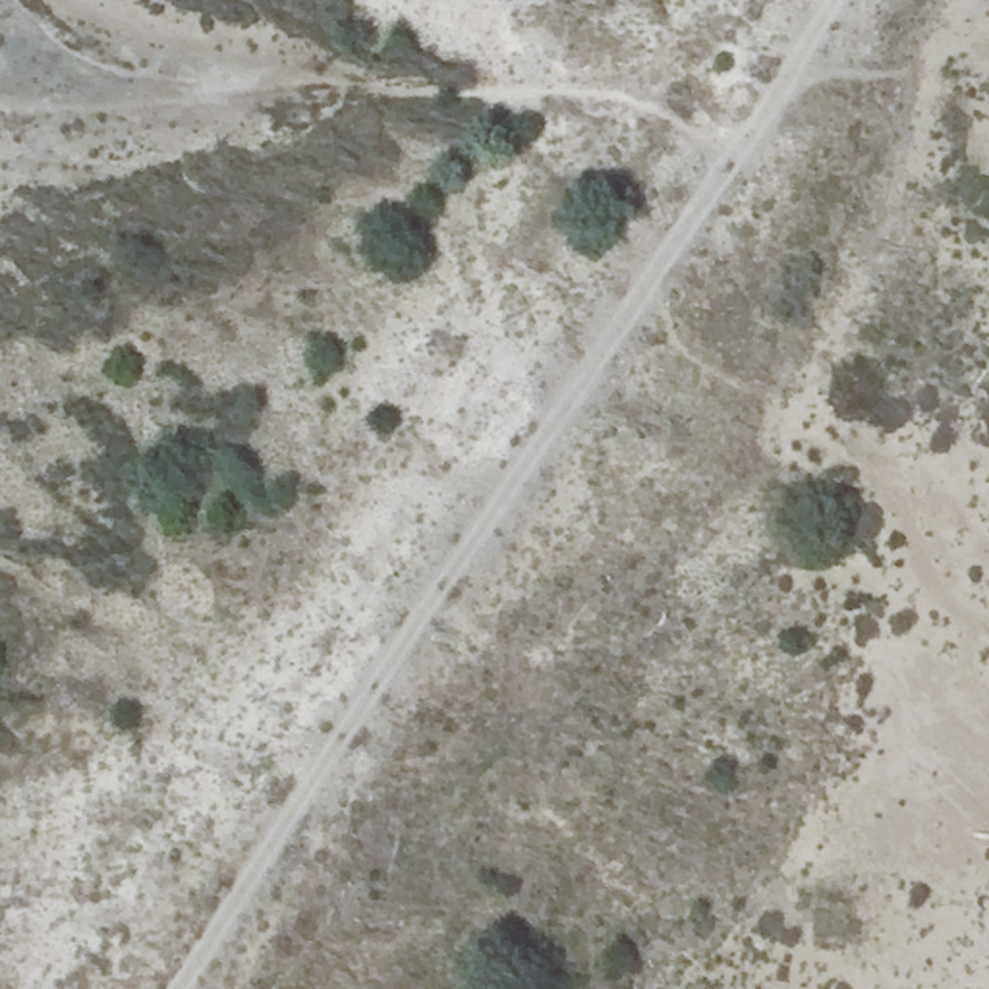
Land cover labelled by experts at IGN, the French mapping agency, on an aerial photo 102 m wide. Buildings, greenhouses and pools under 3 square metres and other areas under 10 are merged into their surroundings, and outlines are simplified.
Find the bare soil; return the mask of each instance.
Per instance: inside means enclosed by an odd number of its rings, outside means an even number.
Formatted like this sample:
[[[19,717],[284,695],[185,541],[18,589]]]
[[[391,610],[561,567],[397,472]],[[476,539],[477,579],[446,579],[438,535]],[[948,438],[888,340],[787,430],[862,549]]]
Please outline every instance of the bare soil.
[[[931,39],[919,46],[923,77],[912,108],[912,139],[892,147],[885,170],[873,178],[873,197],[865,201],[873,232],[854,224],[838,255],[846,282],[815,297],[819,336],[811,359],[804,367],[780,363],[765,402],[761,452],[777,464],[788,464],[792,440],[811,440],[831,467],[858,467],[862,498],[881,506],[881,529],[854,556],[827,568],[827,583],[850,591],[885,595],[885,603],[889,603],[889,607],[896,607],[896,610],[916,610],[916,626],[912,626],[908,634],[877,637],[865,645],[862,661],[873,676],[869,703],[892,707],[892,719],[881,726],[885,757],[865,757],[858,780],[827,780],[827,800],[819,800],[819,807],[807,811],[804,831],[780,865],[784,873],[800,873],[804,865],[811,865],[811,873],[823,885],[854,896],[862,943],[850,943],[842,950],[796,943],[796,958],[804,958],[807,970],[815,970],[815,962],[827,962],[831,974],[850,989],[989,989],[989,444],[954,440],[950,452],[931,452],[931,437],[939,425],[927,413],[912,413],[908,425],[889,433],[865,421],[846,421],[831,410],[831,375],[842,359],[854,355],[862,340],[858,328],[869,325],[877,309],[869,286],[892,274],[892,267],[908,259],[916,247],[939,247],[947,240],[943,224],[950,220],[950,205],[939,205],[931,216],[919,216],[919,197],[908,193],[908,182],[939,185],[943,155],[950,151],[950,139],[931,139],[931,127],[939,124],[943,100],[950,93],[943,81],[943,62],[950,54],[966,54],[966,70],[989,77],[989,0],[943,0],[943,12],[927,19]]]
[[[831,19],[827,39],[807,66],[807,77],[815,85],[877,81],[877,66],[869,66],[869,58],[881,42],[881,0],[846,0],[842,15]]]
[[[792,212],[792,174],[807,162],[804,151],[815,143],[815,131],[788,131],[780,124],[761,139],[746,170],[742,162],[722,162],[730,185],[722,205],[707,212],[695,243],[734,251],[738,228],[749,224],[757,228],[757,240],[769,243],[773,224]]]
[[[970,158],[981,174],[989,174],[989,100],[981,112],[985,120],[970,127]]]
[[[506,448],[525,448],[541,433],[541,421],[533,421],[529,367],[549,355],[549,340],[556,332],[564,332],[564,348],[572,359],[583,359],[583,332],[595,328],[595,321],[610,317],[610,309],[626,297],[637,267],[672,232],[688,201],[688,185],[645,185],[649,209],[645,216],[630,220],[622,243],[614,243],[599,259],[587,259],[568,247],[564,232],[556,232],[552,224],[552,212],[560,209],[564,189],[583,170],[630,170],[641,182],[653,174],[661,155],[672,155],[672,131],[657,120],[661,108],[668,104],[676,116],[692,120],[695,112],[719,116],[719,104],[742,104],[749,73],[757,81],[777,77],[780,58],[788,54],[792,39],[800,39],[815,0],[355,0],[375,23],[410,23],[421,35],[421,42],[437,46],[444,58],[475,62],[479,85],[464,89],[460,97],[525,108],[545,120],[545,131],[533,147],[525,147],[506,166],[479,170],[460,193],[448,197],[433,232],[437,263],[417,282],[410,282],[402,305],[382,317],[379,336],[367,344],[352,367],[336,371],[328,382],[313,382],[305,344],[294,340],[286,328],[251,321],[232,301],[220,301],[216,309],[236,325],[236,340],[220,340],[216,328],[205,321],[185,321],[178,305],[147,305],[135,309],[131,321],[112,336],[81,340],[73,352],[54,352],[39,340],[0,344],[0,413],[31,413],[46,425],[46,433],[31,440],[12,440],[8,433],[0,433],[0,506],[19,514],[27,537],[50,533],[54,502],[35,483],[58,460],[97,456],[89,433],[66,417],[66,398],[104,402],[112,413],[127,421],[131,437],[143,444],[155,444],[162,429],[182,425],[182,410],[174,410],[178,382],[158,375],[162,359],[185,363],[201,375],[209,390],[232,390],[247,382],[267,386],[267,410],[251,437],[251,448],[263,456],[263,467],[267,475],[297,471],[297,502],[282,514],[247,514],[247,529],[236,529],[232,537],[166,537],[155,514],[143,518],[143,549],[155,556],[158,576],[139,599],[89,587],[81,568],[54,556],[42,564],[42,576],[35,576],[19,556],[8,556],[0,549],[0,572],[15,576],[19,587],[39,591],[66,614],[85,610],[93,618],[85,634],[70,630],[58,637],[46,672],[108,680],[108,695],[143,703],[143,726],[131,726],[127,734],[120,730],[108,742],[108,753],[89,757],[89,769],[0,784],[0,989],[166,989],[178,977],[185,954],[205,935],[224,892],[236,885],[251,850],[263,842],[274,811],[294,792],[294,777],[278,773],[274,753],[297,746],[305,726],[321,722],[328,703],[355,684],[355,672],[367,664],[367,657],[379,653],[375,618],[382,610],[386,576],[398,560],[410,556],[413,537],[437,533],[437,522],[444,518],[444,506],[452,498],[440,475],[448,475],[456,464],[467,475],[479,475],[479,467],[491,456],[502,456]],[[143,379],[135,386],[120,386],[104,371],[104,359],[120,348],[135,348],[143,355]]]
[[[255,112],[255,100],[286,100],[290,89],[301,85],[367,89],[375,97],[421,97],[437,97],[437,85],[421,77],[382,77],[371,66],[344,62],[336,50],[325,50],[309,39],[294,39],[270,23],[216,23],[205,31],[193,12],[174,8],[151,15],[135,0],[0,0],[0,216],[19,209],[19,185],[70,189],[97,178],[127,178],[143,166],[178,162],[193,151],[212,151],[216,143],[259,151],[270,139],[274,124],[270,116]]]
[[[433,626],[410,653],[410,668],[390,684],[390,692],[379,699],[379,711],[363,722],[363,730],[352,734],[332,722],[328,738],[344,746],[340,769],[328,777],[317,804],[297,819],[294,838],[282,846],[267,877],[270,885],[259,889],[255,908],[240,916],[232,939],[197,977],[197,989],[247,989],[259,977],[263,950],[278,939],[282,923],[297,919],[301,912],[297,885],[325,885],[336,877],[325,865],[305,865],[317,850],[332,850],[340,858],[348,854],[344,831],[352,804],[375,777],[375,769],[386,765],[394,746],[402,742],[402,726],[417,711],[425,684],[460,684],[464,664],[479,664],[483,649],[498,634],[498,614],[514,610],[518,599],[529,599],[537,591],[537,579],[572,568],[579,552],[591,552],[599,568],[607,568],[614,556],[641,552],[634,587],[641,591],[645,579],[657,572],[657,552],[664,552],[676,560],[676,591],[684,603],[719,607],[730,572],[738,564],[757,564],[761,545],[773,537],[769,522],[761,495],[746,487],[738,498],[722,502],[715,518],[699,522],[695,533],[684,529],[676,518],[645,522],[653,502],[672,491],[668,479],[680,464],[668,456],[664,444],[637,437],[626,425],[626,417],[610,413],[610,402],[603,398],[587,402],[583,410],[607,429],[599,429],[591,444],[576,444],[591,495],[576,510],[560,506],[556,475],[545,464],[537,479],[525,483],[525,495],[518,498],[510,522],[495,529],[495,541],[487,545],[479,564],[471,564],[448,587],[448,599],[437,607]]]

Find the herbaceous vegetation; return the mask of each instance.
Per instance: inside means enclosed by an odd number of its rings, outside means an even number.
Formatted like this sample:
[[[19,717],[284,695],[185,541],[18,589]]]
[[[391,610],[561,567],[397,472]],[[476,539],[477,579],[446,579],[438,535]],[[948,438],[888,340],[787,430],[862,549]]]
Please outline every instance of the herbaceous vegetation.
[[[46,672],[58,637],[70,630],[85,634],[93,618],[85,610],[66,614],[39,591],[19,587],[15,607],[23,614],[23,641],[8,653],[8,672],[0,676],[0,784],[89,769],[89,757],[108,753],[108,742],[120,730],[127,734],[131,726],[143,726],[143,703],[108,695],[108,680]]]
[[[916,626],[916,610],[896,610],[896,607],[889,607],[889,603],[885,603],[885,610],[881,610],[881,622],[877,622],[877,637],[908,634],[912,626]]]
[[[564,947],[568,966],[576,974],[587,974],[583,989],[850,989],[831,974],[827,962],[815,962],[815,970],[807,970],[804,958],[796,958],[796,943],[842,950],[850,943],[862,943],[854,896],[823,885],[811,873],[811,865],[804,865],[800,873],[784,873],[780,865],[804,831],[807,811],[819,807],[819,800],[827,800],[827,780],[858,780],[865,757],[885,757],[881,726],[892,719],[892,707],[869,703],[873,676],[862,661],[865,645],[854,634],[854,610],[846,610],[850,591],[827,583],[827,568],[804,568],[784,537],[773,537],[761,545],[757,564],[738,564],[730,572],[719,607],[684,603],[676,591],[676,560],[664,552],[657,552],[657,572],[645,579],[641,591],[634,587],[641,552],[614,556],[607,568],[599,568],[591,552],[579,552],[572,568],[537,579],[537,591],[529,599],[518,599],[514,610],[498,614],[498,634],[483,649],[479,664],[464,664],[460,684],[425,684],[417,711],[402,726],[402,742],[394,746],[386,765],[375,769],[375,777],[352,804],[344,831],[348,854],[340,858],[332,850],[317,850],[305,865],[325,865],[336,877],[325,885],[297,885],[301,912],[297,919],[282,923],[278,939],[263,950],[259,977],[247,989],[467,989],[467,981],[456,974],[456,954],[464,954],[479,939],[479,931],[487,931],[502,916],[522,916],[533,931],[552,935]],[[637,943],[641,974],[607,981],[603,950],[618,935],[630,935]]]
[[[858,328],[862,340],[854,355],[904,359],[908,367],[892,371],[885,386],[889,398],[908,398],[912,413],[927,413],[939,425],[931,437],[931,452],[950,452],[954,440],[989,444],[989,174],[981,174],[970,158],[970,127],[985,120],[981,112],[989,100],[989,77],[966,70],[966,54],[950,54],[943,62],[943,81],[950,93],[943,100],[939,124],[931,127],[931,139],[950,139],[950,151],[943,155],[939,185],[908,182],[908,193],[919,197],[919,216],[931,216],[939,205],[950,205],[950,220],[943,224],[947,240],[939,247],[916,247],[908,259],[892,267],[892,274],[869,286],[877,309],[869,325]]]
[[[46,425],[31,413],[0,413],[0,433],[8,433],[12,440],[31,440],[46,433]]]
[[[684,263],[668,270],[668,294],[657,301],[645,325],[610,355],[599,386],[603,398],[610,402],[610,413],[626,417],[626,425],[637,437],[664,444],[668,456],[680,464],[668,479],[672,491],[653,502],[645,522],[676,518],[684,529],[695,533],[699,522],[715,518],[722,502],[738,498],[746,487],[761,495],[769,522],[788,483],[827,475],[831,467],[811,440],[792,440],[788,464],[777,464],[761,452],[765,402],[780,363],[804,367],[811,359],[819,336],[815,297],[846,282],[838,255],[854,224],[873,232],[865,201],[873,197],[873,178],[885,170],[892,147],[912,139],[912,108],[923,77],[919,46],[931,39],[927,19],[943,12],[943,0],[881,0],[881,42],[869,58],[869,66],[877,66],[877,81],[815,85],[788,104],[780,124],[788,131],[815,131],[815,143],[804,151],[807,162],[792,174],[792,212],[773,224],[769,243],[757,240],[757,228],[749,224],[738,228],[734,251],[695,243],[692,251],[684,251]]]
[[[205,31],[216,23],[270,23],[263,15],[263,0],[135,0],[151,15],[174,8],[193,12]]]
[[[54,502],[50,533],[27,537],[19,514],[0,506],[0,549],[8,556],[19,556],[35,576],[42,576],[42,564],[54,556],[81,568],[89,587],[139,599],[158,576],[155,556],[143,549],[143,518],[127,502],[124,464],[135,460],[143,444],[131,437],[127,421],[112,413],[104,402],[66,398],[66,417],[89,433],[97,456],[58,460],[35,483]]]
[[[251,437],[267,410],[267,386],[247,382],[232,390],[209,390],[201,375],[185,363],[162,359],[158,375],[178,382],[174,410],[182,410],[182,425],[209,429],[232,456],[243,460],[247,471],[263,467],[263,456],[251,448]]]
[[[135,386],[143,379],[143,355],[135,348],[120,348],[104,359],[104,371],[120,386]]]
[[[286,328],[294,340],[305,344],[313,332],[336,332],[340,340],[363,336],[367,344],[379,336],[382,317],[402,305],[410,282],[390,282],[379,270],[367,270],[355,224],[359,212],[382,201],[406,201],[429,178],[429,166],[444,155],[437,139],[425,143],[425,135],[437,127],[437,116],[429,116],[429,104],[421,97],[375,97],[367,89],[301,85],[290,89],[286,100],[255,100],[255,112],[270,116],[274,124],[270,139],[259,151],[216,143],[212,151],[193,151],[178,162],[143,166],[127,178],[97,178],[70,189],[19,185],[19,209],[0,216],[0,344],[39,340],[54,352],[73,352],[81,340],[112,336],[131,321],[135,309],[147,305],[178,305],[185,321],[205,321],[216,328],[220,340],[236,340],[236,325],[216,309],[220,301],[232,301],[251,321]],[[147,247],[120,243],[120,232],[158,236],[166,243],[166,263],[155,274],[147,274]]]

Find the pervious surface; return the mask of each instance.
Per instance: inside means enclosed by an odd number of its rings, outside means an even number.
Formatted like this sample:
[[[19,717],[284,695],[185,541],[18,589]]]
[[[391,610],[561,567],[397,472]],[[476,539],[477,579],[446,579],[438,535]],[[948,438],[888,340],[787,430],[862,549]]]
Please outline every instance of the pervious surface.
[[[278,773],[294,777],[294,792],[274,811],[263,842],[251,850],[236,885],[224,892],[205,935],[185,954],[178,977],[166,989],[197,989],[197,977],[232,939],[240,916],[255,908],[259,889],[270,885],[267,877],[282,846],[294,838],[297,819],[317,804],[328,777],[340,769],[344,746],[328,738],[332,722],[352,734],[363,730],[363,722],[379,711],[379,699],[390,692],[390,684],[410,668],[410,653],[433,626],[437,607],[448,599],[448,587],[471,564],[479,564],[487,545],[495,541],[495,529],[510,522],[518,498],[525,495],[525,483],[537,479],[545,464],[556,475],[560,506],[576,510],[591,495],[576,444],[591,444],[599,429],[607,429],[583,410],[587,402],[603,398],[599,386],[610,355],[645,325],[657,301],[668,294],[668,270],[684,263],[684,251],[692,251],[695,243],[707,212],[722,205],[730,185],[722,162],[742,162],[746,170],[761,139],[780,124],[788,104],[815,85],[807,77],[807,66],[827,39],[831,19],[842,15],[846,0],[815,0],[800,39],[792,39],[788,54],[780,58],[777,77],[757,81],[749,73],[742,104],[719,104],[719,116],[695,112],[692,120],[676,116],[668,104],[661,108],[657,120],[672,131],[672,155],[661,155],[653,174],[641,182],[645,185],[688,185],[688,201],[672,232],[637,267],[626,297],[610,309],[610,317],[595,321],[595,328],[583,332],[583,359],[572,359],[564,348],[564,332],[556,332],[549,340],[549,355],[529,367],[533,421],[541,421],[541,433],[525,448],[506,448],[502,456],[491,456],[479,467],[479,475],[467,475],[456,464],[448,475],[440,475],[452,498],[444,506],[444,518],[437,522],[437,533],[413,537],[410,556],[398,560],[386,576],[382,610],[375,618],[379,653],[367,657],[367,664],[355,672],[355,684],[328,703],[321,722],[305,726],[297,746],[274,753]]]

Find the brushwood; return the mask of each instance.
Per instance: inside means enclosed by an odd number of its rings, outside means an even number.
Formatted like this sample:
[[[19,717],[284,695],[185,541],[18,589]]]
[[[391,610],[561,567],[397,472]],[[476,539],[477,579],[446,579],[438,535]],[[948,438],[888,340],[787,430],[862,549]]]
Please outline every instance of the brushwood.
[[[479,931],[479,939],[464,954],[456,954],[456,974],[467,981],[467,989],[583,989],[587,974],[576,974],[568,966],[564,947],[552,935],[533,931],[522,916],[502,916],[487,931]]]
[[[846,610],[854,610],[854,634],[865,645],[877,637],[877,622],[881,622],[881,610],[885,610],[885,603],[885,595],[850,591]]]
[[[564,232],[568,247],[587,259],[599,259],[614,243],[622,243],[630,220],[645,216],[649,209],[645,185],[641,182],[630,170],[583,170],[564,189],[560,209],[552,212],[552,224],[556,232]]]
[[[363,336],[340,340],[336,332],[313,332],[305,344],[313,382],[328,382],[336,371],[352,367],[367,344]]]
[[[854,556],[881,529],[881,506],[862,498],[858,467],[831,467],[827,475],[788,483],[769,522],[773,537],[784,537],[804,568],[827,568]]]
[[[630,935],[618,935],[603,950],[607,981],[641,974],[637,943]]]
[[[8,672],[8,653],[23,641],[23,614],[15,607],[19,587],[15,576],[0,572],[0,676]]]
[[[889,433],[908,425],[912,413],[908,398],[889,398],[885,386],[892,371],[908,367],[904,359],[854,355],[842,359],[831,375],[831,410],[846,421],[865,421]]]
[[[124,464],[127,502],[143,518],[155,514],[166,537],[232,537],[236,529],[247,529],[247,514],[282,514],[297,502],[297,471],[267,475],[263,467],[247,471],[243,460],[232,456],[209,429],[182,425],[162,429],[155,444],[143,444],[135,460]]]
[[[525,147],[533,147],[545,131],[545,120],[525,108],[460,97],[464,89],[479,85],[475,62],[444,58],[437,46],[421,42],[421,35],[410,23],[375,23],[355,0],[263,0],[263,15],[270,23],[294,39],[309,39],[325,50],[336,50],[344,62],[371,66],[382,77],[421,77],[437,85],[437,97],[421,97],[429,104],[429,116],[437,116],[437,127],[425,135],[425,143],[437,139],[444,155],[429,166],[429,178],[406,201],[382,201],[359,212],[355,224],[367,270],[379,270],[390,282],[410,282],[417,282],[437,263],[433,232],[448,197],[460,193],[479,170],[506,166]]]
[[[120,232],[120,243],[147,247],[147,274],[155,274],[166,263],[166,243],[158,236]]]

